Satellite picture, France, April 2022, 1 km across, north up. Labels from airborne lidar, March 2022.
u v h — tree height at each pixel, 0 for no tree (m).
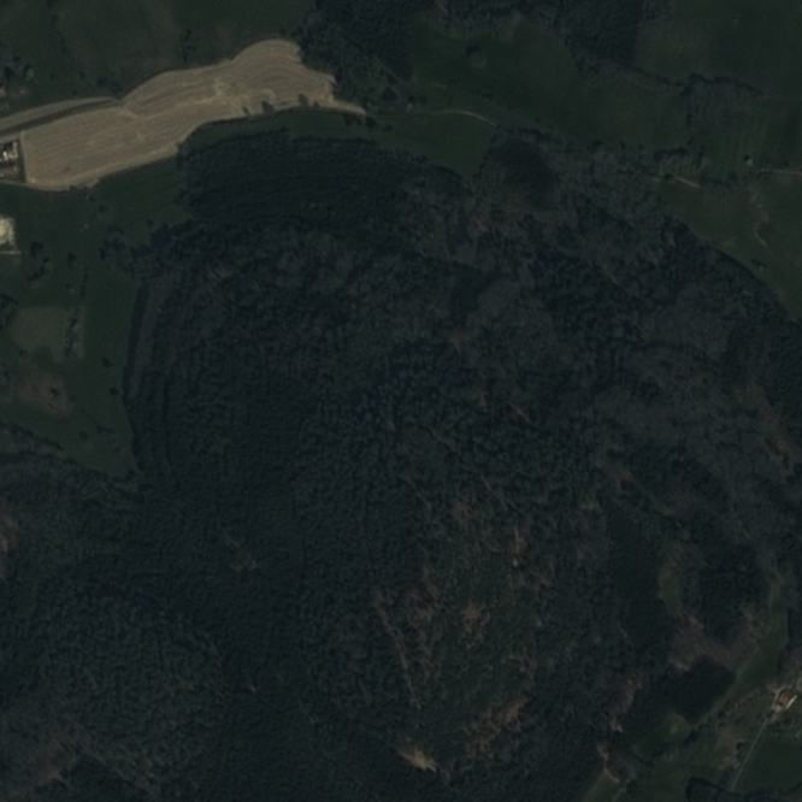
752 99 19
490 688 14
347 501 26
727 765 0
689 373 25
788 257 0
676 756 18
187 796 20
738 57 0
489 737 9
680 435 31
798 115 0
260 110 0
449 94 0
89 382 0
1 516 27
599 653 24
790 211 0
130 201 0
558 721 29
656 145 0
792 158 0
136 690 22
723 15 0
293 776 23
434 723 6
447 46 0
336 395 29
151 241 0
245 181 10
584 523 35
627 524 26
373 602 14
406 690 16
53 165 0
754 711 0
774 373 35
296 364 26
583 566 30
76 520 26
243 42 0
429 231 9
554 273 41
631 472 38
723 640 23
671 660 26
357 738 20
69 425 0
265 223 10
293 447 20
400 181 13
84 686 28
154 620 33
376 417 20
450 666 8
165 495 25
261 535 22
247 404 19
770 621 28
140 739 25
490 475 13
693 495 29
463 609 8
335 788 20
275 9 0
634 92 0
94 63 0
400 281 27
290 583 20
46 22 0
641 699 19
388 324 12
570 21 16
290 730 26
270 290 23
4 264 0
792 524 27
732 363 21
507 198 6
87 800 27
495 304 36
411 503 19
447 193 10
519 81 0
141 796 20
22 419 0
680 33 0
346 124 0
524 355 24
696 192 0
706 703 23
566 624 26
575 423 13
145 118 0
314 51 30
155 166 0
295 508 15
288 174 11
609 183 22
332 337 23
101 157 0
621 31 17
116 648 25
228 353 24
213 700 18
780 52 0
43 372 0
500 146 10
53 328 0
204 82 0
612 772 18
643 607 22
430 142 0
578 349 33
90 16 0
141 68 0
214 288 28
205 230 12
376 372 12
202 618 21
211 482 24
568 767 25
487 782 20
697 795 24
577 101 0
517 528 20
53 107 0
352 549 17
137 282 19
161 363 27
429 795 21
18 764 29
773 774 0
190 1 0
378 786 24
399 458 17
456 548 9
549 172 8
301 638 17
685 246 22
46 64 0
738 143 0
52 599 25
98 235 0
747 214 0
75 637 21
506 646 11
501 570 6
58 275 0
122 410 0
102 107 0
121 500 27
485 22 25
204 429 22
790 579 30
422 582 13
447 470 7
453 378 35
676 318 35
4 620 27
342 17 20
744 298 25
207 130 0
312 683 22
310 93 0
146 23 0
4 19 0
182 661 29
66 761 25
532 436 37
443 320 9
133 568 24
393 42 24
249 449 22
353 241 11
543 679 14
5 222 0
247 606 27
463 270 18
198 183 12
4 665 28
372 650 9
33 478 26
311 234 23
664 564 24
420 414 30
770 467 37
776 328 31
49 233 0
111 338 0
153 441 27
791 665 26
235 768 21
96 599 6
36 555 27
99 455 0
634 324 31
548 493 27
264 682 27
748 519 28
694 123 10
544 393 10
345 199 8
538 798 26
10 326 10
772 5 0
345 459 25
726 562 24
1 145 0
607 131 0
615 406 37
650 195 21
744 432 27
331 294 21
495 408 16
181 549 24
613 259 39
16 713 29
